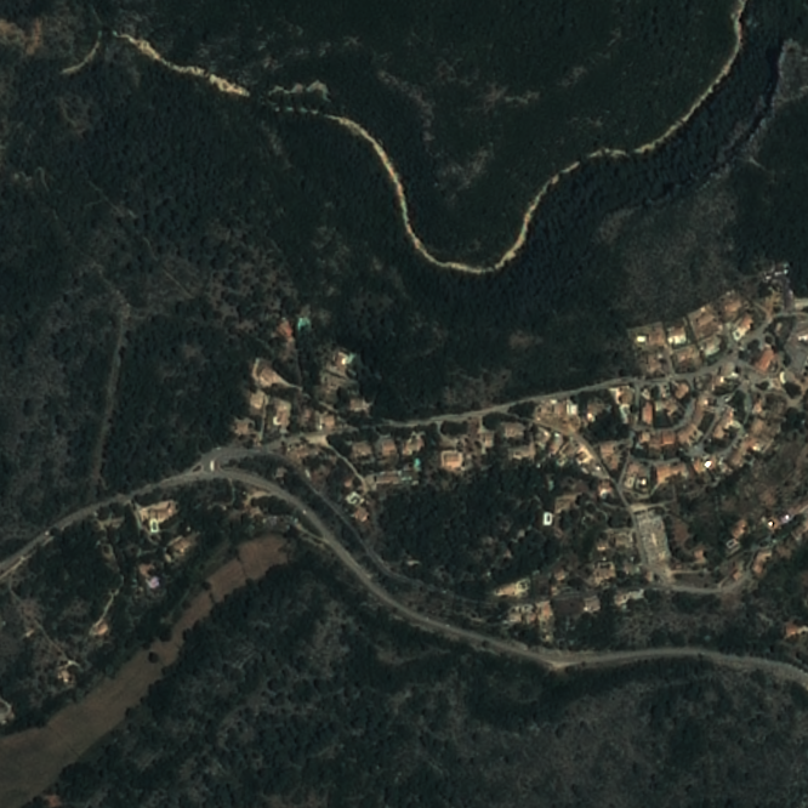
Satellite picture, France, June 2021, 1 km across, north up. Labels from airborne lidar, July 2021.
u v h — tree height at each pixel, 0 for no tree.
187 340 11
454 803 13
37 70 9
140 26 7
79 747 0
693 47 7
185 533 7
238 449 0
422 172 9
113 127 10
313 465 7
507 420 9
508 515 12
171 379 7
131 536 6
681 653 0
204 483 6
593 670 7
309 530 0
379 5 7
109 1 6
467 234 8
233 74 8
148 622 11
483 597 12
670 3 12
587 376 6
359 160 15
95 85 10
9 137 11
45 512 7
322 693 12
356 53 8
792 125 8
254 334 8
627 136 12
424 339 6
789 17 16
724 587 0
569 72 12
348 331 13
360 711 10
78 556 9
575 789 9
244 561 0
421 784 6
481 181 8
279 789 15
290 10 6
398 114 10
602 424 9
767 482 0
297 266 9
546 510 8
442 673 11
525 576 11
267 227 8
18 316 7
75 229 9
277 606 7
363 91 9
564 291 8
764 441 0
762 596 8
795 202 8
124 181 8
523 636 12
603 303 6
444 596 7
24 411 6
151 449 13
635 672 8
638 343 0
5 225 6
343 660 6
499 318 11
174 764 7
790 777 0
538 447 5
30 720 15
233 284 17
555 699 9
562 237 9
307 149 11
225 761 9
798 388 6
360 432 8
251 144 7
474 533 10
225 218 7
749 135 7
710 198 0
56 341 12
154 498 9
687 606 8
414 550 9
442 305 11
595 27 6
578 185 8
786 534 8
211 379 8
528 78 6
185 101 13
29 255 7
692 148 11
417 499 9
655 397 6
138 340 12
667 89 8
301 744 18
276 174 9
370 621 9
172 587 9
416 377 6
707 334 0
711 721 9
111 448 14
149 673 0
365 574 0
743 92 7
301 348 10
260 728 10
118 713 0
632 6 6
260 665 12
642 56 6
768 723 11
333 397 0
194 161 12
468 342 7
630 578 8
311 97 10
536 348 6
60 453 0
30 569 6
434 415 8
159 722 6
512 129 8
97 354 9
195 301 6
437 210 10
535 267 15
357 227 8
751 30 7
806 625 7
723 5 9
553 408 0
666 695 6
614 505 6
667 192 17
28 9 13
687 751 6
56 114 9
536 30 6
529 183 8
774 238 9
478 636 0
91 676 12
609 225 0
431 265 10
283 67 9
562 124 7
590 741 0
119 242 10
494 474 16
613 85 9
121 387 6
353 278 7
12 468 12
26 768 0
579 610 0
